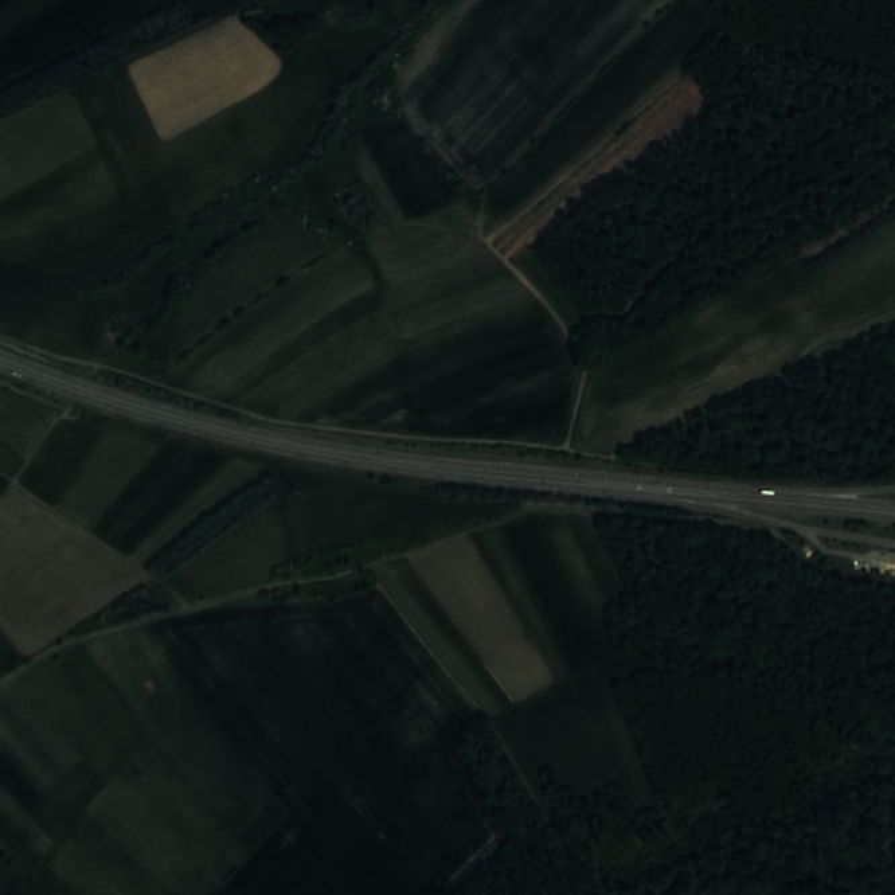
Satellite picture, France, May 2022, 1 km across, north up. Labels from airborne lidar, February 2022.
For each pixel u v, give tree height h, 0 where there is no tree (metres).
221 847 0
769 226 25
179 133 0
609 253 26
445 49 0
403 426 0
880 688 27
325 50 0
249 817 0
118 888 0
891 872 33
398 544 0
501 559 0
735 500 0
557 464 0
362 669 0
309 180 0
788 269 0
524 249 17
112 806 0
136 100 0
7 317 0
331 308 0
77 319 0
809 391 24
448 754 0
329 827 0
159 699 0
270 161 0
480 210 0
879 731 27
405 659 0
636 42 0
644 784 0
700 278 20
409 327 0
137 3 0
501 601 0
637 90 0
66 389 0
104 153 0
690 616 26
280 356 0
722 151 27
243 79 0
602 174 22
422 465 0
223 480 0
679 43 0
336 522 0
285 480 0
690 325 0
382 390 0
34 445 0
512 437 0
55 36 0
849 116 24
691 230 20
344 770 0
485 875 21
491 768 21
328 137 9
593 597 0
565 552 0
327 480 0
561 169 0
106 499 0
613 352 19
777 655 23
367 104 6
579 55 0
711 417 18
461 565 0
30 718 0
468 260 0
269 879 0
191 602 0
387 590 0
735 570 26
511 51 0
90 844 0
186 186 0
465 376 0
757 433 30
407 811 0
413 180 0
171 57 0
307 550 0
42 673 0
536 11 0
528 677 0
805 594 23
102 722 0
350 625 0
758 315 0
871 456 25
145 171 0
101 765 0
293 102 0
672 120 23
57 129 0
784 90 30
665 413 0
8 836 0
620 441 0
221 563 0
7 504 0
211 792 0
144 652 0
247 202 6
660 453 18
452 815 0
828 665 21
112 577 0
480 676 0
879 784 31
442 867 0
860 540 0
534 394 0
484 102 0
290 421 0
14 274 0
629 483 0
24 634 0
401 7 0
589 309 11
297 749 0
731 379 0
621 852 0
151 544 0
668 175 25
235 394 0
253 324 0
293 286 0
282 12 0
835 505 0
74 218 0
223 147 0
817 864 30
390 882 0
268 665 0
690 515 8
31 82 14
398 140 0
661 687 15
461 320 0
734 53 27
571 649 0
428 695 0
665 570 26
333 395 0
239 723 0
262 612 0
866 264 0
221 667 0
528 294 0
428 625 0
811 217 24
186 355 5
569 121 0
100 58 17
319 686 0
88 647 0
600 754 0
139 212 0
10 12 0
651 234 25
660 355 0
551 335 0
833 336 0
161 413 0
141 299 0
